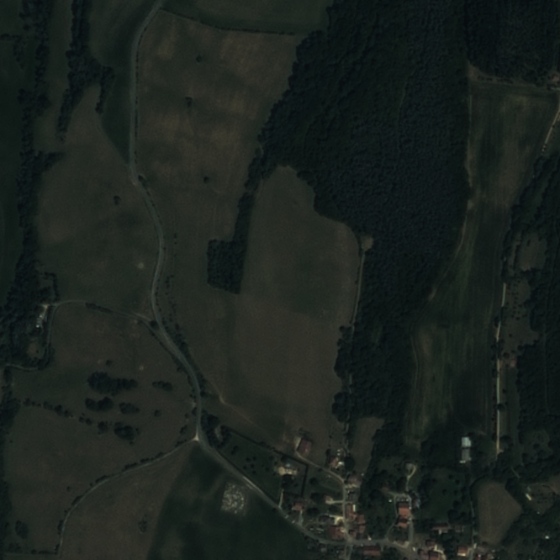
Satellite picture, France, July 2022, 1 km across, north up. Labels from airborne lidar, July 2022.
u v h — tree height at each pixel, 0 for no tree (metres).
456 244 15
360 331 11
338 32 14
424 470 12
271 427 0
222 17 0
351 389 11
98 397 0
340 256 0
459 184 24
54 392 0
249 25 0
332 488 0
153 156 0
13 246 0
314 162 8
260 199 0
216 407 0
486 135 0
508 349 0
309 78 13
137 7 0
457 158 23
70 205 0
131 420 0
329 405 0
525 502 9
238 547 0
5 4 0
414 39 14
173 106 0
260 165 9
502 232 0
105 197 0
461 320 0
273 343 0
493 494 0
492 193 0
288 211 0
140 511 0
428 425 0
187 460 0
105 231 0
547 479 9
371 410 9
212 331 0
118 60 0
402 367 25
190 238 0
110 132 0
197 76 0
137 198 0
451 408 0
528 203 13
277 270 0
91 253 0
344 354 10
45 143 0
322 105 16
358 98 18
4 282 0
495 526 0
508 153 0
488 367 0
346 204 18
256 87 0
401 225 16
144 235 0
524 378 10
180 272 0
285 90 0
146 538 0
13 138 0
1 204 0
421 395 0
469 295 0
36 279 14
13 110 0
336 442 0
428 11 13
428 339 0
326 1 0
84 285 0
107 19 0
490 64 20
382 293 10
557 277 8
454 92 18
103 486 0
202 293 0
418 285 21
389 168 15
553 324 10
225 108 0
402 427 19
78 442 0
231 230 0
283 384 0
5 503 8
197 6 0
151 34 0
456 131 18
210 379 0
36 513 0
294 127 16
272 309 0
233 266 15
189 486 0
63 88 0
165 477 0
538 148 0
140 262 0
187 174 0
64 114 8
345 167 10
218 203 0
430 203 18
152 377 0
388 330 17
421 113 23
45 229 0
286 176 0
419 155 19
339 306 0
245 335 0
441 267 17
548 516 6
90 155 0
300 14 0
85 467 0
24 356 10
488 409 0
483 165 0
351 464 18
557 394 10
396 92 7
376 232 14
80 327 0
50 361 9
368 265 11
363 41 20
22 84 0
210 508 0
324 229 0
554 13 14
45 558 0
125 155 0
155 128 0
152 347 0
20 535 6
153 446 0
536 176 9
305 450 0
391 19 12
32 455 0
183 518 0
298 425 0
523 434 13
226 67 0
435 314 0
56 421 0
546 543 10
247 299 0
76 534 0
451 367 0
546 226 12
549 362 5
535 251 0
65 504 0
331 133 17
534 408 15
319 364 0
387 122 8
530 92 0
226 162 0
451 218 19
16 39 10
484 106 0
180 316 0
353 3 21
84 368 0
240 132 0
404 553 0
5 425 11
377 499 24
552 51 14
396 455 17
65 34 0
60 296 14
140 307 0
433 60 19
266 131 13
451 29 22
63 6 0
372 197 17
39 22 29
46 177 0
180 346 9
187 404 0
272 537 0
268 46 0
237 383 0
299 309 0
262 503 0
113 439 0
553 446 12
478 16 30
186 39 0
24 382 0
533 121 0
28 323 18
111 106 0
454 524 10
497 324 10
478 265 0
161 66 0
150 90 0
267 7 0
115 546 0
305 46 15
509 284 7
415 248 21
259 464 0
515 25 31
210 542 0
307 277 0
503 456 7
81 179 0
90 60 16
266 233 0
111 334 0
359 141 14
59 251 0
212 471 0
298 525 0
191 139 0
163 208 0
